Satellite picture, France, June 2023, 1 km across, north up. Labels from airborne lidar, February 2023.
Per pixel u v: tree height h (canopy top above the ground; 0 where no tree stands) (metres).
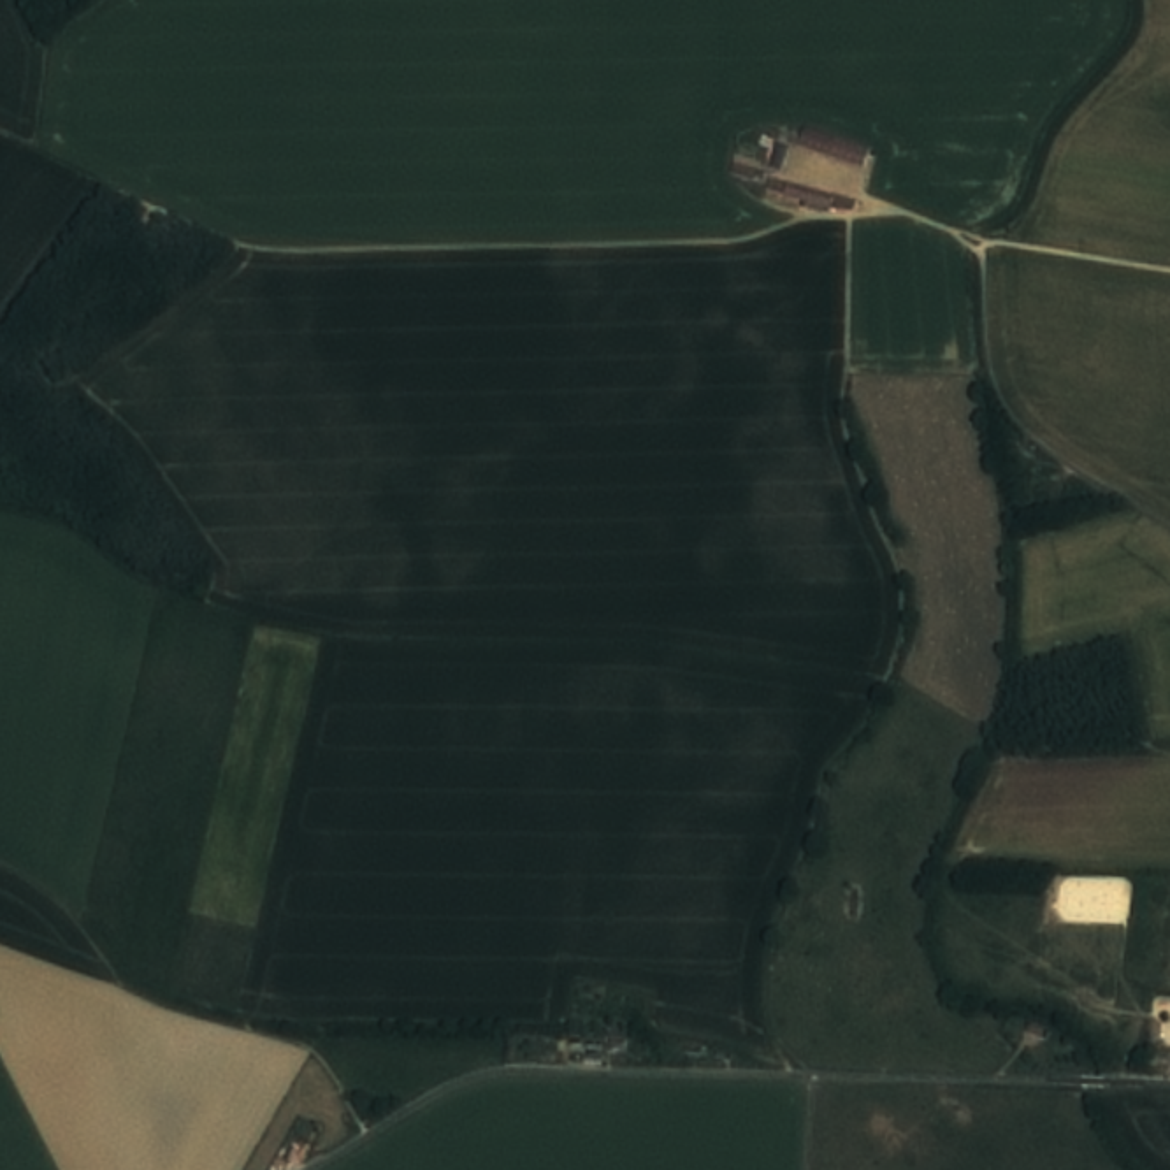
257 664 0
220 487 0
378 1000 0
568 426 0
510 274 0
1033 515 14
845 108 0
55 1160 0
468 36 0
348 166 0
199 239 15
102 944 0
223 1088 0
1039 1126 0
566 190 0
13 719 0
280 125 0
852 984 0
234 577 0
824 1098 0
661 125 0
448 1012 0
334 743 0
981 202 0
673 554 0
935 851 12
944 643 0
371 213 0
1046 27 0
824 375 0
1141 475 0
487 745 0
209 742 0
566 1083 0
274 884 0
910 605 6
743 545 0
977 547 0
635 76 0
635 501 0
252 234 0
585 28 0
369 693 0
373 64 0
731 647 0
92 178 0
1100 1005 0
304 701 0
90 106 0
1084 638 0
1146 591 0
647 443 0
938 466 0
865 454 19
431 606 0
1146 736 10
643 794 0
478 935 0
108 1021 0
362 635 0
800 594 0
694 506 0
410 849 0
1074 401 0
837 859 0
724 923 0
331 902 0
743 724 0
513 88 0
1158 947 0
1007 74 0
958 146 0
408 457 0
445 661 0
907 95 0
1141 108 0
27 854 0
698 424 0
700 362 0
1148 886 0
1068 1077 0
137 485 20
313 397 0
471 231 0
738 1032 0
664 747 0
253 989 0
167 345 0
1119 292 0
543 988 0
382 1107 14
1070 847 0
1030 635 0
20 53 0
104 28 0
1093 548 0
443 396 0
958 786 12
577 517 0
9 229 0
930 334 0
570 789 0
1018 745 16
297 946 0
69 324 19
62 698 0
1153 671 0
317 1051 0
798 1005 0
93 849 0
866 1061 0
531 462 0
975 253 0
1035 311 0
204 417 0
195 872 0
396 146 0
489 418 0
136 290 20
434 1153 0
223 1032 0
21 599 0
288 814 0
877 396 0
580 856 0
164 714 0
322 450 0
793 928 0
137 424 0
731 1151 0
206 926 0
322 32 0
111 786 0
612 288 0
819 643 0
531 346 0
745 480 0
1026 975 0
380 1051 0
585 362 0
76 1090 0
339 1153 0
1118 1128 0
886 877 0
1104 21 0
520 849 0
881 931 0
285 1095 0
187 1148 0
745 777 0
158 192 0
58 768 0
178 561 19
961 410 0
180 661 0
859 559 0
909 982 0
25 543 0
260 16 0
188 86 0
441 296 0
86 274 21
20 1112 0
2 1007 0
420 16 0
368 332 0
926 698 0
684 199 0
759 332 0
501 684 0
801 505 0
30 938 0
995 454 17
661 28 0
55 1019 0
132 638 0
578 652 0
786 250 0
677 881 0
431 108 0
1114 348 0
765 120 0
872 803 0
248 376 0
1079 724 18
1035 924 0
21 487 19
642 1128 0
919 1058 0
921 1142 0
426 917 0
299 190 0
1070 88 0
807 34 0
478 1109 0
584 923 0
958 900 0
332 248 0
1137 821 0
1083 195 0
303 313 0
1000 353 0
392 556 0
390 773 0
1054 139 0
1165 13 0
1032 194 0
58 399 21
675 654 0
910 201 0
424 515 0
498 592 0
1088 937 0
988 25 0
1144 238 0
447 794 0
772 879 0
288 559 0
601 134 0
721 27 0
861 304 0
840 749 0
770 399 0
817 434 0
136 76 0
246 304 0
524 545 0
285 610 0
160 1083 0
